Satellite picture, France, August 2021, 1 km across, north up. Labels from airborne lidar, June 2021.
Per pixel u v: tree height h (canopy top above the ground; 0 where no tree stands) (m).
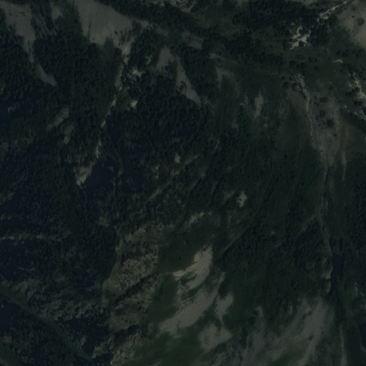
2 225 7
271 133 0
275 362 0
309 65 0
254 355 0
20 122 15
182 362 0
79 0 0
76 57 11
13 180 8
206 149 8
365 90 0
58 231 7
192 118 20
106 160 0
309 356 0
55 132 15
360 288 0
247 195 14
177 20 13
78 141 14
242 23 8
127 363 0
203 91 19
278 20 16
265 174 17
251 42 15
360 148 0
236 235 0
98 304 6
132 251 7
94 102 10
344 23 0
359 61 0
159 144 14
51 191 9
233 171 6
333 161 0
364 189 7
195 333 0
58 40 18
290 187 8
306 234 8
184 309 0
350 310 0
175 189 13
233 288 0
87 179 0
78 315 0
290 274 7
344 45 0
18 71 23
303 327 0
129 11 16
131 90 6
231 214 7
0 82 10
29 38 0
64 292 0
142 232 0
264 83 0
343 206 0
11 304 0
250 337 0
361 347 0
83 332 7
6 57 22
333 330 0
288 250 10
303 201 13
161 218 9
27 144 8
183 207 8
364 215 7
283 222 6
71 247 7
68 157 7
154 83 0
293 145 0
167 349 0
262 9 18
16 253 9
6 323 6
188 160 0
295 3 7
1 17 11
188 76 8
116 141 9
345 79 0
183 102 21
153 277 11
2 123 12
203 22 0
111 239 7
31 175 10
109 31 0
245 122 6
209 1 6
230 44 13
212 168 7
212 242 0
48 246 6
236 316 0
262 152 7
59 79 19
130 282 8
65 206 9
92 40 0
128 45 0
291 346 0
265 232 8
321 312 0
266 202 8
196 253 0
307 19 13
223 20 0
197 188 11
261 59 11
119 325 0
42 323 7
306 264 7
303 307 0
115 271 0
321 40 8
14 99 11
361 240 8
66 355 7
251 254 7
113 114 8
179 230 0
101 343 6
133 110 20
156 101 26
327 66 0
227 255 9
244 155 7
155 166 11
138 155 6
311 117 0
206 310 0
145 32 6
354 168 0
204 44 10
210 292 0
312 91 0
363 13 0
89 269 8
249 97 0
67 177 6
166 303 0
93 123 14
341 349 0
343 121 0
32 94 13
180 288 0
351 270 0
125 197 8
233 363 0
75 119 6
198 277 0
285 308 7
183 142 12
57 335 6
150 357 0
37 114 16
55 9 0
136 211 11
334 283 7
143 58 8
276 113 0
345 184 0
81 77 8
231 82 0
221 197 7
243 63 0
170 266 0
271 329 0
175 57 0
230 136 13
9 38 17
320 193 0
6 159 8
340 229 0
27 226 8
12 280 9
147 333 10
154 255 8
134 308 6
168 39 0
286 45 7
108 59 0
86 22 0
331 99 0
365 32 0
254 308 0
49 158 12
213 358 0
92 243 7
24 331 11
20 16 0
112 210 11
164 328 0
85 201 9
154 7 16
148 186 15
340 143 0
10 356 0
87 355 0
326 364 0
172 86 21
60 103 23
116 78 0
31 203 13
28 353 12
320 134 0
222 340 0
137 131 17
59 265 8
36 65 6
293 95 0
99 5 0
